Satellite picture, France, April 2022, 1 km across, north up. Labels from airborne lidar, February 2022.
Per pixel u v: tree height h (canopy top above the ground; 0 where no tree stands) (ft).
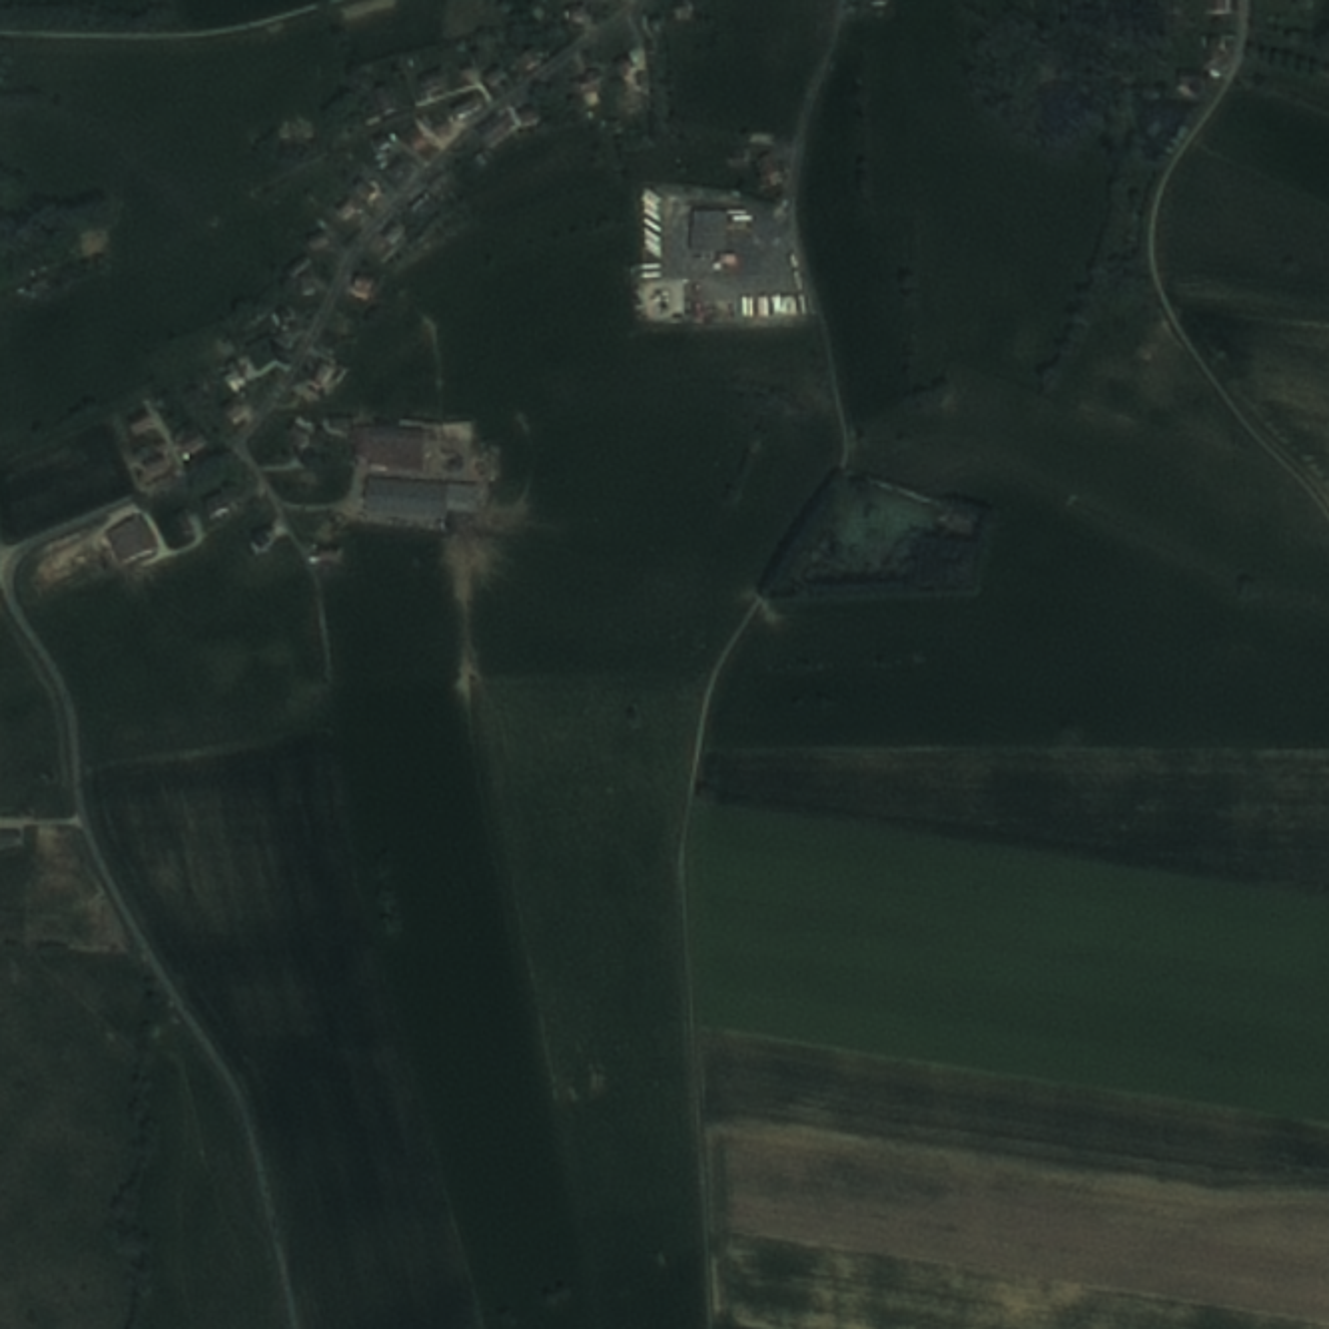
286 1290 0
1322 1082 0
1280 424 0
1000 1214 0
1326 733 0
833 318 0
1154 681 0
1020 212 0
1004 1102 0
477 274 0
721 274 0
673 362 0
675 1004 0
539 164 0
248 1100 0
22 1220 0
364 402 0
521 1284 0
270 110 0
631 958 0
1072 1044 0
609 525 0
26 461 0
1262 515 0
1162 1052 0
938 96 0
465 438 0
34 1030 0
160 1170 0
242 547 0
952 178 0
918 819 0
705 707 0
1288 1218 0
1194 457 0
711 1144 0
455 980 0
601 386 0
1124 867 0
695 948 0
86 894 0
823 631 0
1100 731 0
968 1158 0
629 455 0
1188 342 0
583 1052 0
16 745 0
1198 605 0
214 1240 0
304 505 0
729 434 0
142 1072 38
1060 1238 0
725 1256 0
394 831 0
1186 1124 0
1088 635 0
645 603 0
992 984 0
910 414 0
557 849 0
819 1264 0
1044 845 0
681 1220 0
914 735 0
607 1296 0
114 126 0
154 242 0
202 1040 0
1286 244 0
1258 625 0
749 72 0
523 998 0
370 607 0
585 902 0
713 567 0
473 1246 0
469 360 0
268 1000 0
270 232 0
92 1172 0
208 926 0
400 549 0
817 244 0
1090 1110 0
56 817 0
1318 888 0
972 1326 0
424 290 0
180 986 0
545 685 0
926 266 0
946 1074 0
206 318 0
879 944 0
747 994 0
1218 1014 0
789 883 0
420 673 0
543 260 0
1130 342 0
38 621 0
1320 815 0
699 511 0
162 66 0
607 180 0
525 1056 0
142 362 0
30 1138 0
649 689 0
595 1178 0
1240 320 0
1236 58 0
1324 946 0
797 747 0
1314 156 0
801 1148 0
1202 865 0
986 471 0
